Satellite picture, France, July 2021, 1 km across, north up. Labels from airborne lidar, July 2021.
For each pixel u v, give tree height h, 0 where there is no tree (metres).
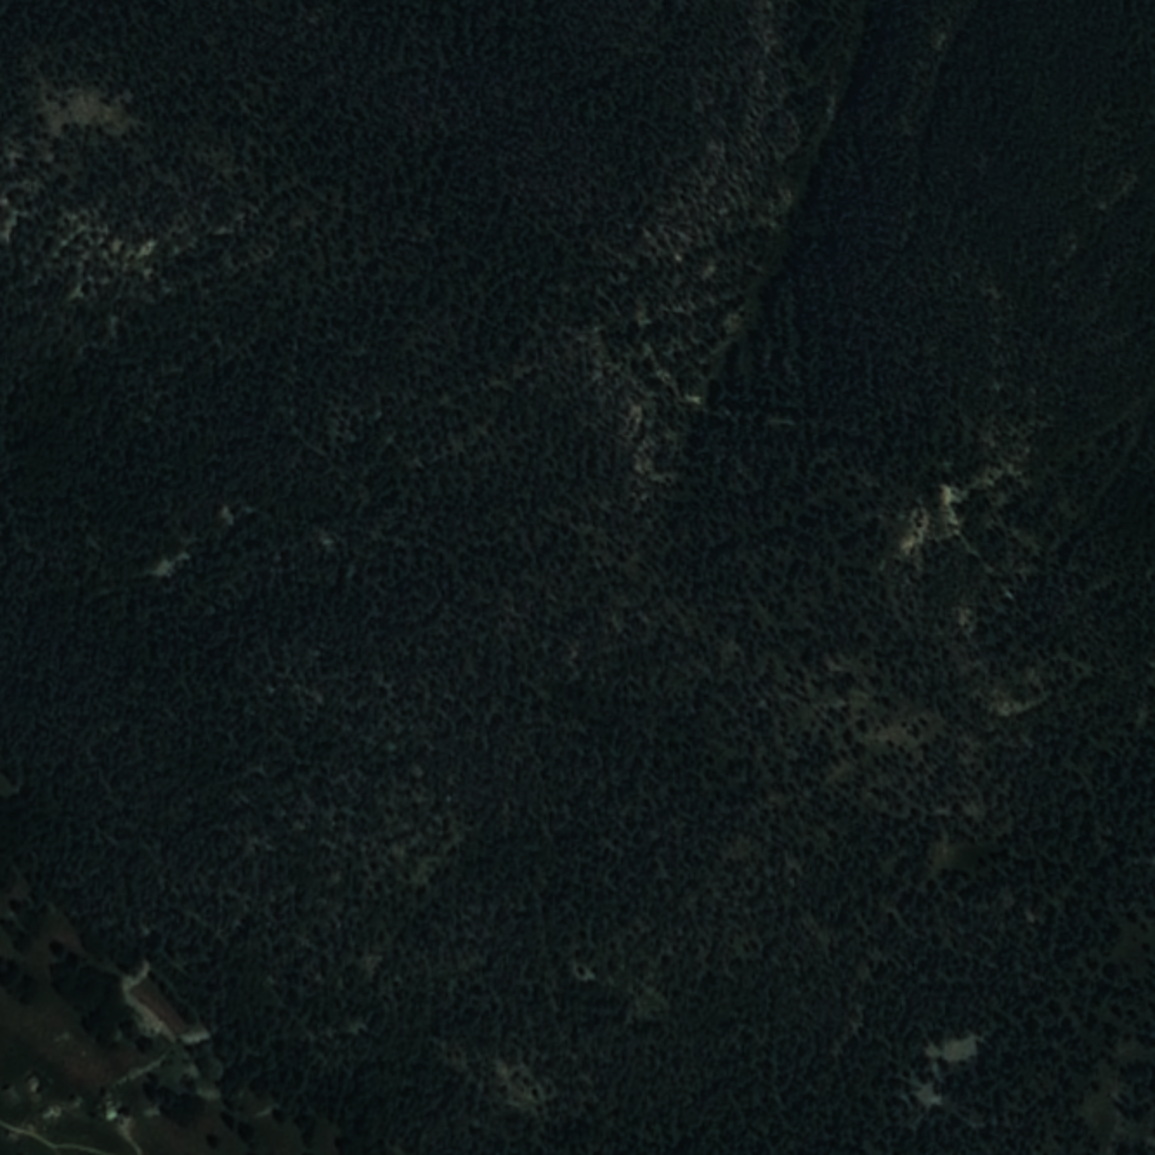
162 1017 0
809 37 7
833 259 15
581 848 15
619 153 19
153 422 15
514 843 16
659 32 15
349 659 11
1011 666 8
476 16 17
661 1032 22
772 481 17
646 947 7
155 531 17
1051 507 7
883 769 17
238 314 8
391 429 12
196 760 17
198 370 10
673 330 11
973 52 11
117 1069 0
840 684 10
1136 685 6
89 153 9
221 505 14
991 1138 20
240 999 17
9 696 15
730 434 16
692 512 13
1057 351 10
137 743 15
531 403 11
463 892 13
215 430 12
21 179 12
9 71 11
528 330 13
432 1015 12
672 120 16
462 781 10
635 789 19
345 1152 19
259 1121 0
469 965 9
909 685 17
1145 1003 16
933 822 14
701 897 14
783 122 9
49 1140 0
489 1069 7
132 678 15
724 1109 18
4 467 11
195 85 9
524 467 6
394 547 7
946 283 13
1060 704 13
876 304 13
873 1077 9
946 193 7
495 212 21
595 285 12
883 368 13
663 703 15
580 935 6
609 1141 14
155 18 19
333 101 23
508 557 10
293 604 12
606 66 17
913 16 20
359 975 12
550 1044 12
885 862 12
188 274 12
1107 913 7
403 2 10
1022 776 16
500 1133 21
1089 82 14
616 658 10
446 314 13
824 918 15
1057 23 8
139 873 16
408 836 11
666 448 10
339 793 12
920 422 20
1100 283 18
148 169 8
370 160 13
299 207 11
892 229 14
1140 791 15
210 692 13
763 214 7
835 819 17
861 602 13
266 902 15
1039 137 11
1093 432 11
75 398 9
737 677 12
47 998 0
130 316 7
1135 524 12
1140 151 13
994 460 7
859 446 10
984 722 8
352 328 11
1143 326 12
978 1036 14
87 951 14
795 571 12
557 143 20
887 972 17
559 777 9
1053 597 15
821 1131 12
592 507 11
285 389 13
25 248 10
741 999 20
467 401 13
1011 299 11
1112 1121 0
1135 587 10
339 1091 18
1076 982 12
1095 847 22
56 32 17
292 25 15
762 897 20
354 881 10
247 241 8
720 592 11
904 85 17
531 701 12
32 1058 0
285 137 7
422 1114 17
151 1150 0
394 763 12
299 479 12
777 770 12
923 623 6
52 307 13
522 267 21
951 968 10
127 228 7
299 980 22
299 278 12
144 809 11
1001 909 14
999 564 6
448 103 12
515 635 15
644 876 11
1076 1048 18
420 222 13
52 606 19
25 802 13
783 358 10
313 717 12
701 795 13
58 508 17
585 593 9
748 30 16
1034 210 9
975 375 9
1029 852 22
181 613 18
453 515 12
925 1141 14
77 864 21
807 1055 18
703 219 11
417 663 12
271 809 13
